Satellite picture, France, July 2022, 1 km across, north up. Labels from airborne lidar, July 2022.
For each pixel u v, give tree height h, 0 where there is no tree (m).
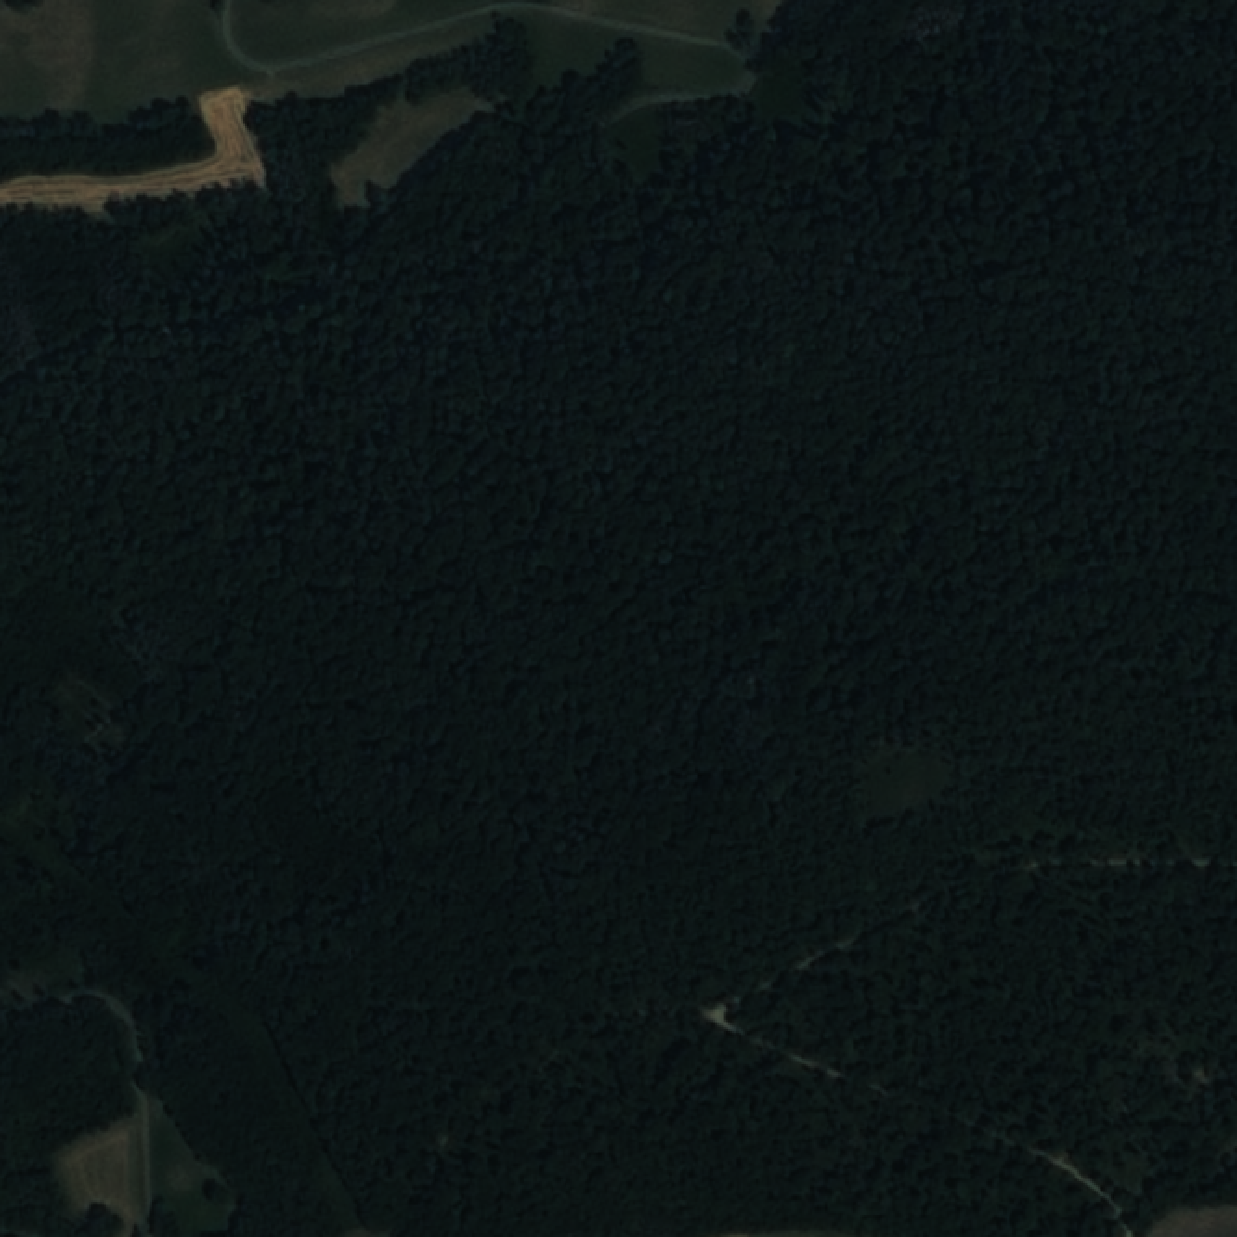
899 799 0
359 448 7
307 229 18
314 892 9
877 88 26
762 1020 17
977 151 22
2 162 22
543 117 16
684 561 27
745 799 24
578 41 0
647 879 21
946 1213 19
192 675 23
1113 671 23
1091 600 26
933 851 17
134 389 30
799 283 19
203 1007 20
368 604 23
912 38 26
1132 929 27
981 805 16
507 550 24
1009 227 27
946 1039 15
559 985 20
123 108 0
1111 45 31
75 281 16
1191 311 22
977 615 29
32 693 16
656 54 0
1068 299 27
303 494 12
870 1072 17
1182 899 23
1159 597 25
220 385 29
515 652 26
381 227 26
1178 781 16
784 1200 18
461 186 18
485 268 31
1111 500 23
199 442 24
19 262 19
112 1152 0
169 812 20
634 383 27
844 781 15
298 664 21
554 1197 16
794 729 24
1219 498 28
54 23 0
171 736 21
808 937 14
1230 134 32
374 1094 19
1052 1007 22
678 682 21
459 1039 18
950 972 12
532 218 21
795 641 23
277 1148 20
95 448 25
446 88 15
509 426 26
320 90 0
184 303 27
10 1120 15
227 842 21
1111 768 18
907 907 16
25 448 27
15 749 19
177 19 0
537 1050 23
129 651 21
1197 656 17
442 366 28
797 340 23
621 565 28
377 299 24
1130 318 27
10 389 13
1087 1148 13
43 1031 20
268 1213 17
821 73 31
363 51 0
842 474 27
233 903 17
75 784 30
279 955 21
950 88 22
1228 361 23
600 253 10
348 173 0
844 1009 17
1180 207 19
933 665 23
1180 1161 24
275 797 8
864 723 23
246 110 0
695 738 18
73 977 0
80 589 18
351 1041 18
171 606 10
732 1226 10
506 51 18
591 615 24
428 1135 23
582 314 27
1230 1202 19
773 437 23
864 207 32
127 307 22
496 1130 22
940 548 25
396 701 21
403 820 28
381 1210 18
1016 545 26
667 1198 15
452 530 29
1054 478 23
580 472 24
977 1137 23
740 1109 22
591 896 22
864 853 18
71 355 21
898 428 22
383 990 18
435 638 26
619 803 27
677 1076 25
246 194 26
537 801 24
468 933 17
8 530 20
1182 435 28
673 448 24
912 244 28
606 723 22
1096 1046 8
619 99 18
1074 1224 14
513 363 29
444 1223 21
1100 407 24
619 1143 20
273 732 21
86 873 22
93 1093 14
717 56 0
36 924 8
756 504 27
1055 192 28
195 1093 22
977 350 31
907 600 25
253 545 20
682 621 27
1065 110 30
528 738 29
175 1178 0
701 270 29
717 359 27
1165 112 26
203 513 25
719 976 21
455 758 28
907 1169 19
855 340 28
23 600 7
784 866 11
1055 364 28
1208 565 25
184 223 20
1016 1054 23
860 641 9
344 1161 17
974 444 24
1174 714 8
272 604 21
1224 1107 24
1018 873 16
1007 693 22
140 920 22
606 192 26
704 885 16
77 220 11
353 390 13
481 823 22
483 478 28
